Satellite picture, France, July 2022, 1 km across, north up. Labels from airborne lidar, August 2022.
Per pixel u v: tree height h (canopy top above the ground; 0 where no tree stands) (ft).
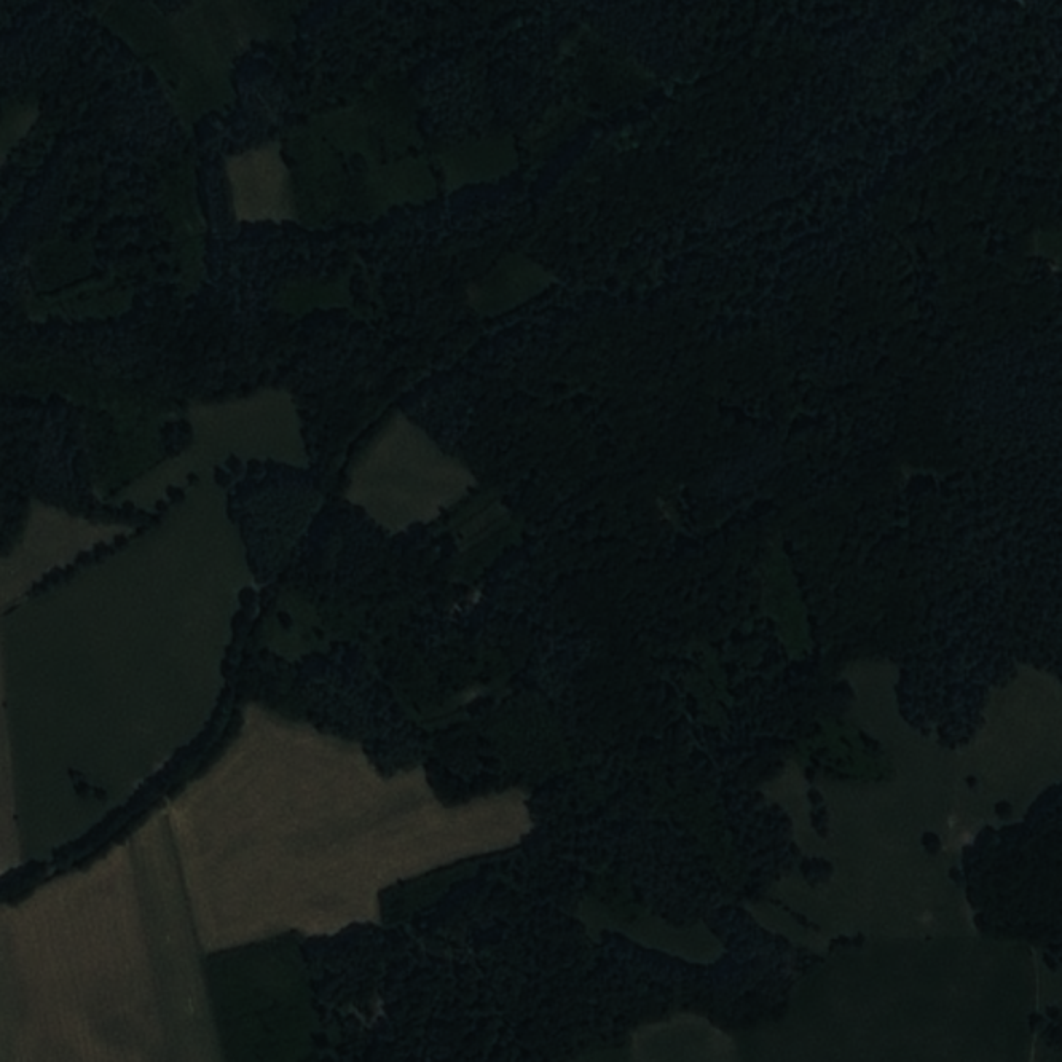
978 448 73
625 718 88
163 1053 0
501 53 60
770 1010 76
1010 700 0
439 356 59
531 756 18
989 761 0
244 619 51
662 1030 0
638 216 76
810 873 65
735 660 36
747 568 84
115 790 0
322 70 52
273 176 0
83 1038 0
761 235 67
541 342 94
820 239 85
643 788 61
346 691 107
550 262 87
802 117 74
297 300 0
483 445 85
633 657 90
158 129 100
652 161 93
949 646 50
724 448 81
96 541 0
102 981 0
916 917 0
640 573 89
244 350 73
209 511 0
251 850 0
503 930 81
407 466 0
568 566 60
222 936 0
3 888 56
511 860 31
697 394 90
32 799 0
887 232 104
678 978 77
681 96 76
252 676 56
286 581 65
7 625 0
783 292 80
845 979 0
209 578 0
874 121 76
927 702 73
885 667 0
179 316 73
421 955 85
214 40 0
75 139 74
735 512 56
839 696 79
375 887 0
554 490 92
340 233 49
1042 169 50
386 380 70
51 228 77
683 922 64
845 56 96
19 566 0
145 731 0
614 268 55
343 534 83
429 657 67
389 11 84
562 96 64
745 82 83
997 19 67
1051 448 71
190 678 0
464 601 41
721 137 91
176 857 0
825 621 82
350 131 0
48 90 24
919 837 0
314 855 0
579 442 82
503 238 83
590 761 27
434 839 0
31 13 80
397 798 0
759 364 74
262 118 99
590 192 81
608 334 83
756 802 69
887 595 74
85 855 38
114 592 0
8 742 0
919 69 52
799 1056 0
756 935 91
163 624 0
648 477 86
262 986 0
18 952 0
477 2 41
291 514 108
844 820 0
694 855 49
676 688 45
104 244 61
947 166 97
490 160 0
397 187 0
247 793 0
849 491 87
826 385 50
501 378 54
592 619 96
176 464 0
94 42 74
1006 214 92
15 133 0
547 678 120
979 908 60
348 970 83
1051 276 91
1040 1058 0
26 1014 0
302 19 33
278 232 63
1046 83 56
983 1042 0
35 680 0
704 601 81
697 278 85
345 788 0
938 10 108
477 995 38
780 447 87
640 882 78
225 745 51
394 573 33
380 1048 73
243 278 40
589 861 81
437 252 88
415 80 75
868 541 73
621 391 81
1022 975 0
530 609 89
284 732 0
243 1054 0
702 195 81
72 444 74
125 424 0
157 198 76
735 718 46
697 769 70
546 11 67
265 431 0
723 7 53
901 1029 0
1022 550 74
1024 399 94
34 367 22
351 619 30
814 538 79
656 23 81
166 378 60
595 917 0
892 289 85
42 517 0
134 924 0
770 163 92
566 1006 66
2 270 80
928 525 67
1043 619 75
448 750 24
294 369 83
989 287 87
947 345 88
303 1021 0
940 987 0
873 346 74
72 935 0
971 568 66
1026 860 85
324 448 73
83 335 60
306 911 0
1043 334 72
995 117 64
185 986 0
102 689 0
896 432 80
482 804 0
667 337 81
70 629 0
